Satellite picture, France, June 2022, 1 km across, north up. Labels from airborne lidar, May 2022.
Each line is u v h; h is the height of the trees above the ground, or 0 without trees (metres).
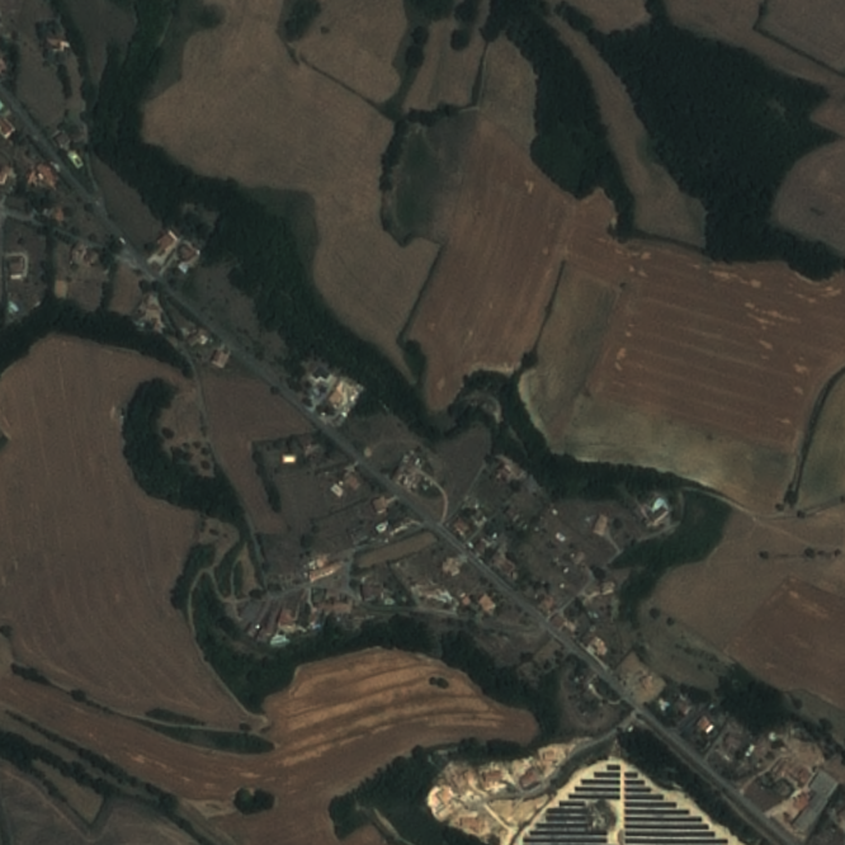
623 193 18
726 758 0
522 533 8
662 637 0
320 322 10
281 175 0
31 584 0
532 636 0
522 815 0
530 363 13
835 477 0
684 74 16
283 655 11
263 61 0
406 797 6
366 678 0
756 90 13
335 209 0
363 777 0
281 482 0
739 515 0
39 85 0
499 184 0
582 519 0
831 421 0
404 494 0
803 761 0
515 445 14
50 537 0
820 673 0
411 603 7
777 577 0
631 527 0
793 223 0
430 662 0
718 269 0
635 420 0
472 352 0
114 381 0
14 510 0
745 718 13
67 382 0
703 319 0
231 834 0
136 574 0
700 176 9
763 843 8
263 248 7
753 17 0
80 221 0
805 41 0
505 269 0
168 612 0
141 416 14
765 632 0
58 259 0
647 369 0
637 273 0
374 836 0
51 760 18
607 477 15
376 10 0
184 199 15
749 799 0
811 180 0
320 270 0
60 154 10
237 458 0
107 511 0
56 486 0
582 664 9
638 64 17
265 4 0
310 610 6
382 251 0
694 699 12
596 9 0
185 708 0
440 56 0
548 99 14
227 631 10
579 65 16
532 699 6
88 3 0
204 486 15
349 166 0
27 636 0
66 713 0
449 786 0
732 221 26
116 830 0
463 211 0
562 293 0
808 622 0
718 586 0
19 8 0
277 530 0
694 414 0
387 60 0
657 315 0
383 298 0
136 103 13
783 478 0
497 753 16
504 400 10
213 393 0
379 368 8
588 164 7
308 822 0
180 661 0
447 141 0
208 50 0
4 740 18
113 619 0
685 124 14
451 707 0
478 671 17
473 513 9
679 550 6
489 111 0
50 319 18
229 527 0
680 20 0
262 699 10
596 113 16
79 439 0
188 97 0
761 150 15
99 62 0
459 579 0
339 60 0
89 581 0
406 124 13
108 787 16
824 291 0
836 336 0
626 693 0
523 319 0
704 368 0
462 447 0
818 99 14
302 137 0
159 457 9
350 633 6
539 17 21
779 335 0
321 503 0
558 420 0
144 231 0
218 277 0
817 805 0
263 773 0
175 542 0
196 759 0
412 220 0
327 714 0
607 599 0
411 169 0
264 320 9
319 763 0
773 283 0
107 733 0
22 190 10
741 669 6
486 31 13
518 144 0
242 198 15
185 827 16
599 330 0
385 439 0
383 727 0
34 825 0
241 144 0
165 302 7
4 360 18
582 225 0
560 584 0
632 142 0
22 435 0
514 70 0
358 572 8
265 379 0
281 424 0
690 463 0
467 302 0
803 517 10
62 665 0
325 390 6
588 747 0
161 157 20
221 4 0
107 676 0
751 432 0
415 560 0
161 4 9
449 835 16
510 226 0
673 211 0
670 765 13
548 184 0
